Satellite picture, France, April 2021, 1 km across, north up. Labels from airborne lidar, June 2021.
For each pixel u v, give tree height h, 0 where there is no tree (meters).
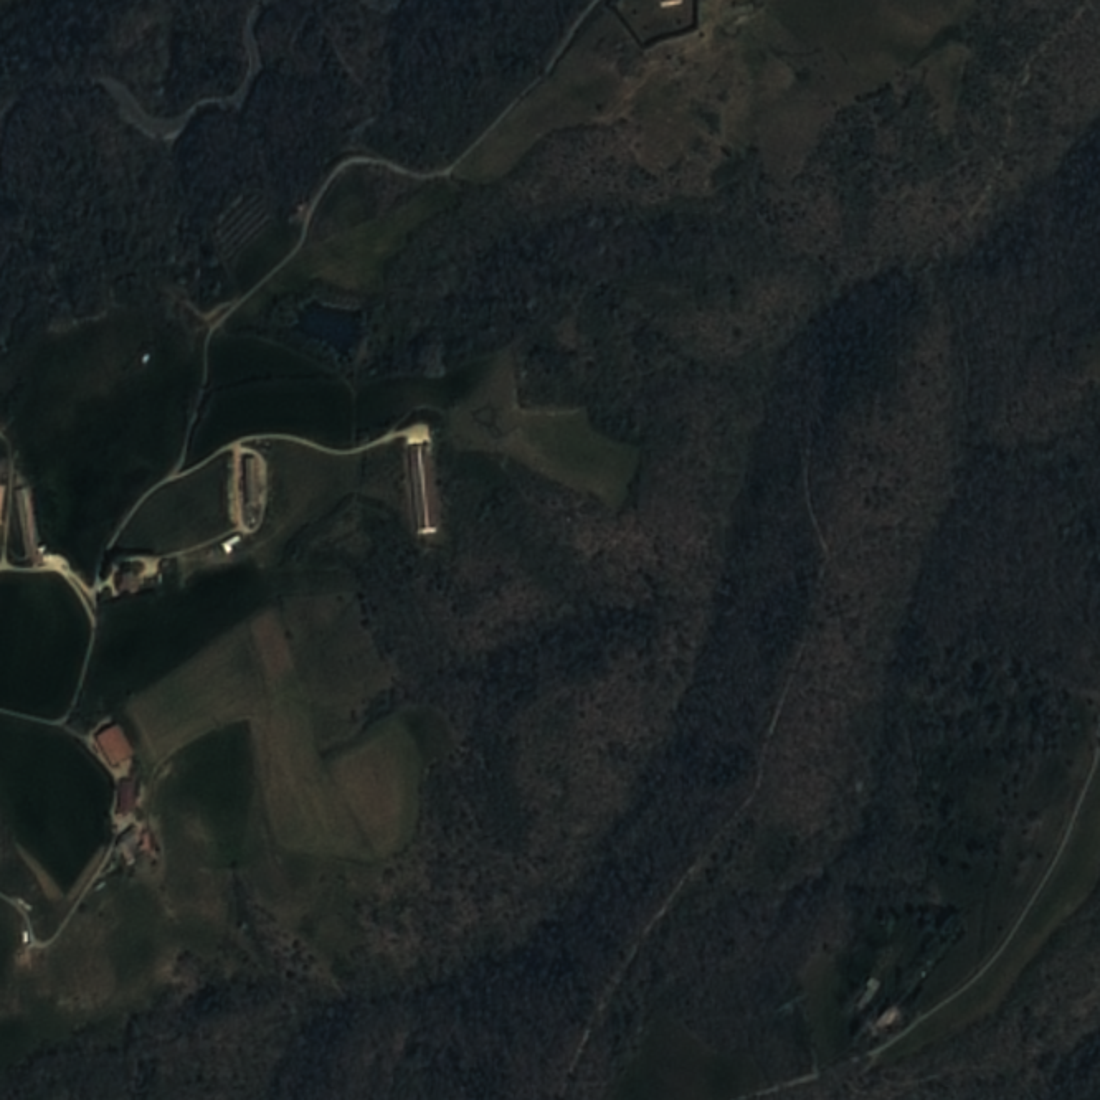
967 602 14
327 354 12
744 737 8
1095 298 12
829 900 15
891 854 18
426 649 8
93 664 0
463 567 7
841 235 8
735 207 11
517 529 9
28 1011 0
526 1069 9
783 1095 6
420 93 14
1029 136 7
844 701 9
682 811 8
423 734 0
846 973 0
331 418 0
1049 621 12
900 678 16
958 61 0
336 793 0
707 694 9
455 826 11
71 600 0
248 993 12
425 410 0
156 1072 14
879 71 0
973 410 14
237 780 0
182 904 0
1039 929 0
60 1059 11
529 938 20
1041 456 17
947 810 9
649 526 8
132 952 0
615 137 9
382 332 11
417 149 9
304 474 0
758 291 6
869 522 5
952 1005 0
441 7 14
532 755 7
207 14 17
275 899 0
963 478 17
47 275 17
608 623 11
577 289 9
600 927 13
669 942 14
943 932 7
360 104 6
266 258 0
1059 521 16
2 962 0
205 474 0
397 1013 13
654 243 13
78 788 0
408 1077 10
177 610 0
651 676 7
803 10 0
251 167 11
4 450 0
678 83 0
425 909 10
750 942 12
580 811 12
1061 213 7
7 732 0
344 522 0
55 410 0
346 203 0
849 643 10
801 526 9
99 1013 0
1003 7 7
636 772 11
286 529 0
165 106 11
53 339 0
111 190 8
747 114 0
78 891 0
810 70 0
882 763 26
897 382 10
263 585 0
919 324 14
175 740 0
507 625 7
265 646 0
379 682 0
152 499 0
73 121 9
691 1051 0
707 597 13
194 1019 9
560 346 6
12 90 10
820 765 16
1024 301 12
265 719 0
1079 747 0
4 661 0
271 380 6
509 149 0
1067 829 0
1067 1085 15
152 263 6
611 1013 7
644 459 6
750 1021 10
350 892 0
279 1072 17
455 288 18
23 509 0
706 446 16
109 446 0
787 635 11
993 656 8
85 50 18
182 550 0
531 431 0
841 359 11
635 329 12
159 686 0
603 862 17
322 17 7
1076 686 12
